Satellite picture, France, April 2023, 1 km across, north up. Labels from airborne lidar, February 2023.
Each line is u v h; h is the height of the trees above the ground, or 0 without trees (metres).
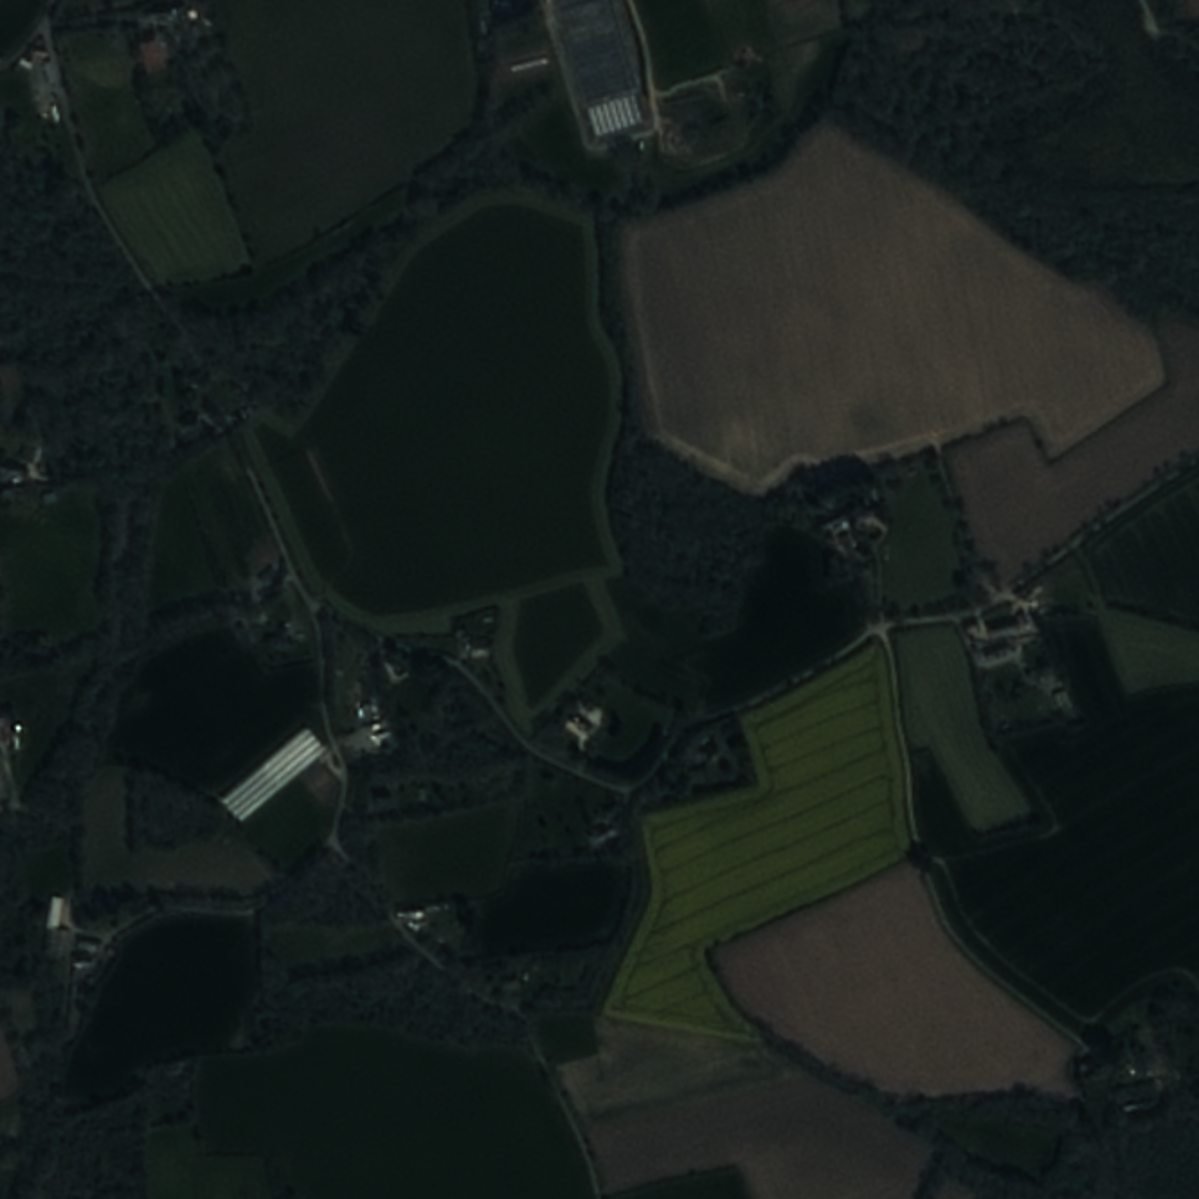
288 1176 0
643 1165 0
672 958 0
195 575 0
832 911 0
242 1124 0
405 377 0
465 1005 7
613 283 10
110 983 0
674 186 0
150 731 0
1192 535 0
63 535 0
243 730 0
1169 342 0
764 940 0
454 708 17
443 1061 0
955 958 0
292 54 0
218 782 0
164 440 17
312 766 0
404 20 0
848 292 0
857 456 0
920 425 0
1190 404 0
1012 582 0
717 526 9
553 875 0
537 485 0
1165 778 0
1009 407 0
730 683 0
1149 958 0
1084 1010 0
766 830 0
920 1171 0
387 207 0
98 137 0
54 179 24
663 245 0
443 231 0
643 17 0
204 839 14
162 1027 0
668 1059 0
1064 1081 0
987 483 0
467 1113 0
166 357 9
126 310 18
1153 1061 0
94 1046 0
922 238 0
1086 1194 14
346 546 0
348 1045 0
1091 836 0
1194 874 0
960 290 0
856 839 0
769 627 0
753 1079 0
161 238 0
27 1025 0
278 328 14
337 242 0
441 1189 0
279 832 0
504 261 0
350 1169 0
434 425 0
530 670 0
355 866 12
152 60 0
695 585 15
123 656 11
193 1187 0
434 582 0
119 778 0
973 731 0
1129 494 0
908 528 0
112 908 18
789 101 0
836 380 0
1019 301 0
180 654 0
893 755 0
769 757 0
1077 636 0
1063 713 9
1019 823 8
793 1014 0
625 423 9
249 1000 0
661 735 14
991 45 15
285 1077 0
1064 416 0
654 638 0
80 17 10
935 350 0
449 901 7
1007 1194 18
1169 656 0
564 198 24
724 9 0
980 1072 0
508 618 0
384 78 0
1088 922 0
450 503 0
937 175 17
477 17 12
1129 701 0
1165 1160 13
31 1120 11
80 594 0
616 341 11
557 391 0
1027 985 0
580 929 0
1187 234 14
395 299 0
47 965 11
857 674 0
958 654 0
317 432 0
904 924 0
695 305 0
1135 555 0
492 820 0
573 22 0
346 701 0
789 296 0
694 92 0
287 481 0
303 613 0
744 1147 0
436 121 0
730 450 0
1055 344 0
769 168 12
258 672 0
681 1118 0
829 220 0
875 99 18
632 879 8
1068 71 16
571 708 12
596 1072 0
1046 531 0
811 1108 0
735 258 0
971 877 0
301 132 0
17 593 0
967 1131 0
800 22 0
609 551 0
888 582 0
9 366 11
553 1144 0
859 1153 0
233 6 0
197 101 14
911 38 16
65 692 0
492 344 0
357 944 0
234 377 9
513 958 10
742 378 0
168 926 0
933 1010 0
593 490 0
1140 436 0
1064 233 11
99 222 10
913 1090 0
